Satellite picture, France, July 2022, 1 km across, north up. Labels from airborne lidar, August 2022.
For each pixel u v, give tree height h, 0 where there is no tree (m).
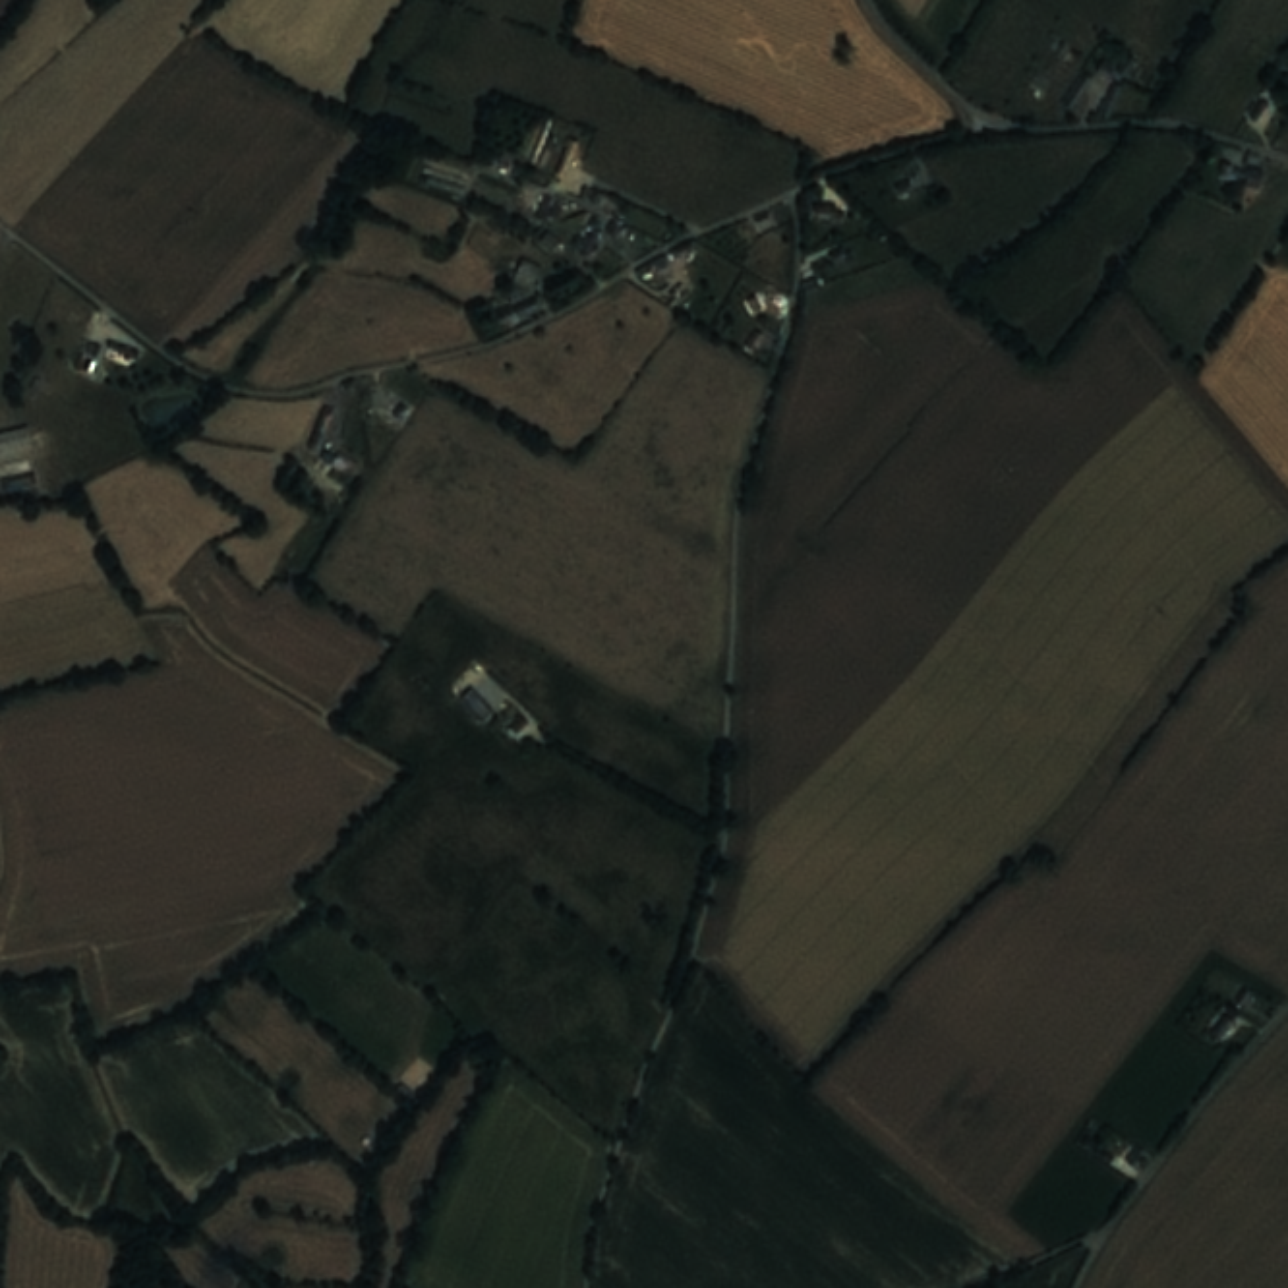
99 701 0
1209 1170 0
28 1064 0
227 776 0
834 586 0
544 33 6
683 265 0
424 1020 0
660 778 0
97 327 0
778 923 0
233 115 0
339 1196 0
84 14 0
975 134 11
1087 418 0
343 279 0
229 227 0
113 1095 0
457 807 0
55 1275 0
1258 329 0
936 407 0
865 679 0
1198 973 0
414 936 0
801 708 0
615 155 0
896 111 0
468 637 0
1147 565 0
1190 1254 0
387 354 0
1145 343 0
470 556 0
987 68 0
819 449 0
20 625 0
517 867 0
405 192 0
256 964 16
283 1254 0
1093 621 0
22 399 18
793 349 8
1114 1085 0
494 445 0
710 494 0
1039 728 0
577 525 0
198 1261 0
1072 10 0
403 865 0
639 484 0
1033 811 0
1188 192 10
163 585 0
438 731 0
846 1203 0
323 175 0
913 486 0
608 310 0
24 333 20
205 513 0
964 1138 0
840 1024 0
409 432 0
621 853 0
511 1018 0
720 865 19
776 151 0
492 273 0
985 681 0
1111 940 0
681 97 10
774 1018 0
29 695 12
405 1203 0
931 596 0
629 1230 0
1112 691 0
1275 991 0
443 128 0
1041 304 0
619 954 12
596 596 0
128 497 0
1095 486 0
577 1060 0
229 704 0
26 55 0
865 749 0
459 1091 0
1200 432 0
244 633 0
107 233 0
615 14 0
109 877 0
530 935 0
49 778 0
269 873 0
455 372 0
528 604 0
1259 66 0
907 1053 0
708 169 0
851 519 0
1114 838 0
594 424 0
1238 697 0
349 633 0
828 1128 0
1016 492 0
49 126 0
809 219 12
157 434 8
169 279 0
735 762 20
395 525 0
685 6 0
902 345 0
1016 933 0
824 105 0
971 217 0
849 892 0
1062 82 0
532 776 0
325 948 0
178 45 0
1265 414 0
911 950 0
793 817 0
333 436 0
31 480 0
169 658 0
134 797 0
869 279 0
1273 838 0
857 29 0
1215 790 0
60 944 0
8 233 0
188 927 0
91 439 0
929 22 0
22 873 0
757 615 0
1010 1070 0
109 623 0
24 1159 8
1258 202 0
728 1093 0
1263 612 0
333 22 0
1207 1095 6
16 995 15
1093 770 0
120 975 0
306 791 0
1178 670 0
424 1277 0
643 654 0
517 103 8
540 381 0
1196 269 0
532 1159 0
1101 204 0
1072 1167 0
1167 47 0
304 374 0
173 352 7
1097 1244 0
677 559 0
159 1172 11
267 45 0
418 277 7
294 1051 0
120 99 0
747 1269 0
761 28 0
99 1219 15
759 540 0
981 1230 0
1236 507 0
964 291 16
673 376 0
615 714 0
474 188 0
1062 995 0
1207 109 0
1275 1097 0
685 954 10
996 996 0
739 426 0
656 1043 0
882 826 0
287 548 0
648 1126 0
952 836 0
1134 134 13
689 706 0
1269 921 0
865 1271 0
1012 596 0
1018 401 0
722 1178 0
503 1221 0
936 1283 0
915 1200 0
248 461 0
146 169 0
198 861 0
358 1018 0
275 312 0
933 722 0
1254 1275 0
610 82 0
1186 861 0
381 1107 0
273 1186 0
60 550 0
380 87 0
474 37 0
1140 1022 0
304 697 0
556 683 0
